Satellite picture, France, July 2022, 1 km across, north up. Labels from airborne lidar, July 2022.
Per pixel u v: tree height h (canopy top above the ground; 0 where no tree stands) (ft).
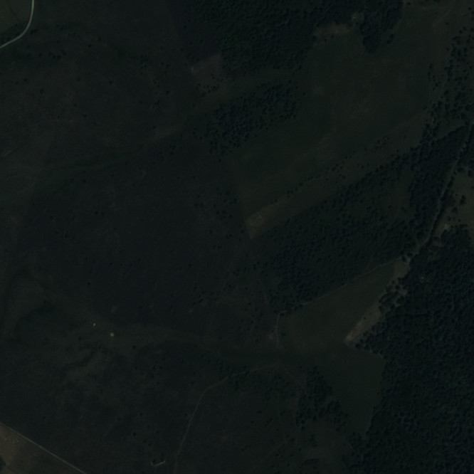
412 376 38
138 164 0
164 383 0
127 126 0
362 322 0
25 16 0
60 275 0
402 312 57
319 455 0
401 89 0
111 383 0
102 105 0
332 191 0
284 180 0
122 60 0
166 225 0
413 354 49
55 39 0
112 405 0
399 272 0
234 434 0
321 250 26
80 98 0
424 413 44
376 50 37
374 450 26
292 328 0
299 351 0
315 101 0
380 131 0
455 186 0
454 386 44
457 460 78
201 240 0
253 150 0
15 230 0
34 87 0
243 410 0
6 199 0
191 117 0
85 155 0
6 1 0
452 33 0
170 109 0
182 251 0
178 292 0
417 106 0
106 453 0
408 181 0
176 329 0
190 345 0
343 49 0
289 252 27
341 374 0
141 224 0
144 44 0
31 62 0
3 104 0
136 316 0
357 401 0
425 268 35
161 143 0
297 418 22
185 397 0
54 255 0
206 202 0
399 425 43
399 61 0
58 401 0
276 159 0
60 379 0
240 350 0
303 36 42
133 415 0
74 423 0
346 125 0
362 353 0
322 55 0
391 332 20
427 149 40
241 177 0
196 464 0
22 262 0
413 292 35
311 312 0
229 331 0
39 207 0
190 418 0
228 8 21
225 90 0
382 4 38
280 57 31
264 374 0
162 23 0
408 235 28
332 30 0
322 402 23
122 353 0
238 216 0
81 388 0
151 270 0
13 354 0
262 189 0
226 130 23
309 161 0
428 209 43
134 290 0
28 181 0
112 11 0
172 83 0
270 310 0
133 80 0
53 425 0
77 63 0
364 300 0
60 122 0
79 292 0
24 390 0
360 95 0
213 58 0
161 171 0
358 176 0
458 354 60
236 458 0
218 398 0
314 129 0
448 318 45
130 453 0
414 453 35
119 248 0
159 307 0
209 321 0
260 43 28
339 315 0
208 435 0
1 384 0
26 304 0
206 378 0
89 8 0
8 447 0
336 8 49
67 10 0
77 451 0
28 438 0
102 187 0
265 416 0
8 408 0
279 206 0
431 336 63
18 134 0
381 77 0
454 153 51
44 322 0
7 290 0
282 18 20
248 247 0
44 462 0
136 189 0
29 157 0
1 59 0
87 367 0
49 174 0
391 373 32
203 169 0
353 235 27
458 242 29
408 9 0
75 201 0
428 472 58
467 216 0
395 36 34
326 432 0
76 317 0
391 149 0
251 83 0
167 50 0
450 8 0
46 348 0
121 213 0
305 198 0
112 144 0
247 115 22
